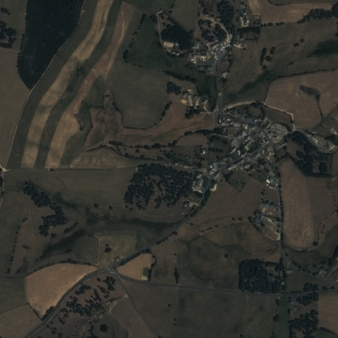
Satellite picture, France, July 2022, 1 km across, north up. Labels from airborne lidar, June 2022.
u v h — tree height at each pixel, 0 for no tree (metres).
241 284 19
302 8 0
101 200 0
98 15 0
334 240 0
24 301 0
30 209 0
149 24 0
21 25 0
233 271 0
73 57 0
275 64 0
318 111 0
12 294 0
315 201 0
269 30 0
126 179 0
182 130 0
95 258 0
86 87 0
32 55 0
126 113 0
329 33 0
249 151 7
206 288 0
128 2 0
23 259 0
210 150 12
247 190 0
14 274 0
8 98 0
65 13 9
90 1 0
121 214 0
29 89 6
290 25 0
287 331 0
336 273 0
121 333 0
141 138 0
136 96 0
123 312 0
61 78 0
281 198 6
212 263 0
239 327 0
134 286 0
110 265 0
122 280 0
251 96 0
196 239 0
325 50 0
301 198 0
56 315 0
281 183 0
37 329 0
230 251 0
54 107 0
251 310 0
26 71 7
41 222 0
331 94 0
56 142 0
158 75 0
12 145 0
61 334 9
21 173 0
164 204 0
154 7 0
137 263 0
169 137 0
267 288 19
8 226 0
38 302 0
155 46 0
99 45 0
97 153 0
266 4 0
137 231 0
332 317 0
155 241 0
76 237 0
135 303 0
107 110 0
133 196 15
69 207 0
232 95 0
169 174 15
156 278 0
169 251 0
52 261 0
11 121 0
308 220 0
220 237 0
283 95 0
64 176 0
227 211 0
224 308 0
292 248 0
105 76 0
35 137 0
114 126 0
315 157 10
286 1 0
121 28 0
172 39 24
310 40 0
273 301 0
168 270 0
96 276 0
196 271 0
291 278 0
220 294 0
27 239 0
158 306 0
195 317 0
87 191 0
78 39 0
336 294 0
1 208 0
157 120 0
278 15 0
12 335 0
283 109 0
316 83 0
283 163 0
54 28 8
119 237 0
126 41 0
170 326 0
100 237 0
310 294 7
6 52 0
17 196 0
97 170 0
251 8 0
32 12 9
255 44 0
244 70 0
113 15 0
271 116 0
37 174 0
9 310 0
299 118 0
